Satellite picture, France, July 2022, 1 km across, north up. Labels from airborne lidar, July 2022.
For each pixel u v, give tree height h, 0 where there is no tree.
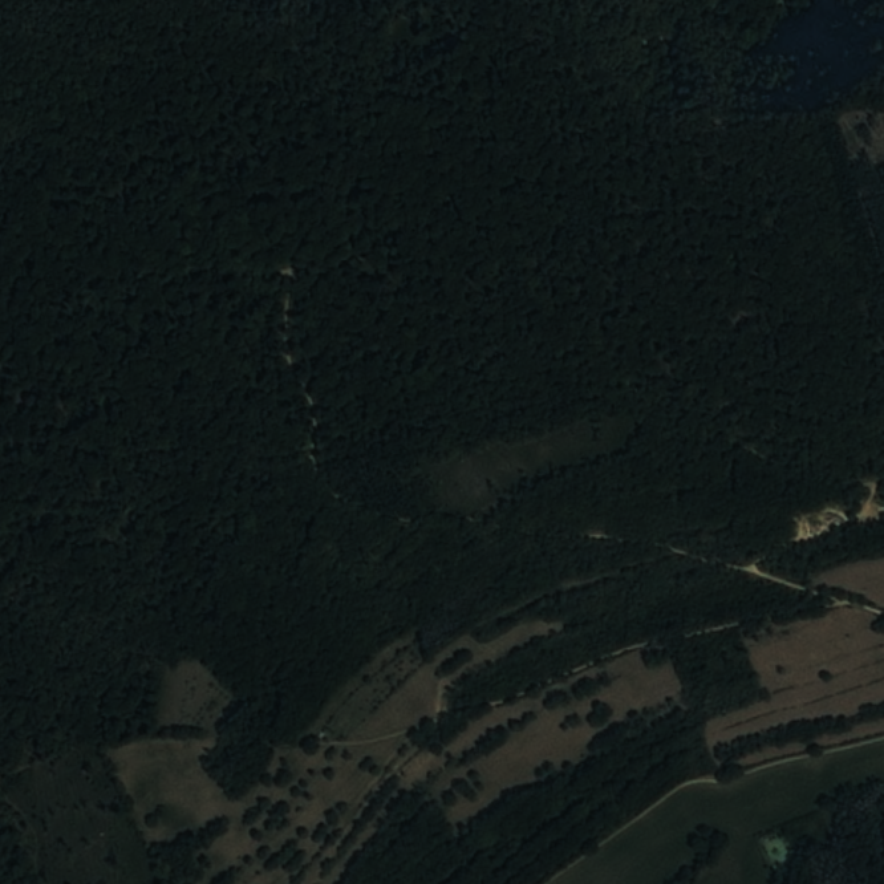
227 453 20
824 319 24
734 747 12
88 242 20
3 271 24
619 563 14
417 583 10
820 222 22
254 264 31
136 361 34
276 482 23
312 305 21
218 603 20
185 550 25
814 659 0
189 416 22
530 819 16
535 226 26
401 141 31
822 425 27
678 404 21
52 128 21
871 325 23
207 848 19
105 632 20
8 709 28
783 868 18
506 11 22
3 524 26
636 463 24
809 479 19
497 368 23
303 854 11
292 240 29
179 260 26
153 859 21
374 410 26
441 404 23
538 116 18
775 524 21
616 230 22
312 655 20
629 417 18
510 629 11
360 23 28
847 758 0
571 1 21
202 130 27
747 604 7
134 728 28
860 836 17
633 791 22
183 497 19
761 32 27
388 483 14
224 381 26
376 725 0
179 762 0
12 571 24
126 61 24
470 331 22
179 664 23
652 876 0
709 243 22
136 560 20
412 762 0
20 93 18
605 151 27
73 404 26
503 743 19
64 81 21
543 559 16
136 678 24
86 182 28
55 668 22
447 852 22
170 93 23
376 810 15
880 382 21
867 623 0
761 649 0
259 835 16
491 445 19
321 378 27
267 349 16
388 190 31
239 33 22
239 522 25
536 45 14
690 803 0
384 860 22
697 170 24
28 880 23
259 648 26
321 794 0
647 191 23
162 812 12
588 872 0
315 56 22
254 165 32
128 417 25
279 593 27
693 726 11
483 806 0
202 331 31
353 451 21
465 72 30
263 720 16
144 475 25
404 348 25
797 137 20
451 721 20
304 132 28
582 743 0
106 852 0
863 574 0
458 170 31
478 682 7
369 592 20
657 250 22
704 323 23
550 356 24
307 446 20
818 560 16
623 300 26
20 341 29
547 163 23
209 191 30
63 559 28
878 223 21
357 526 22
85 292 25
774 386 24
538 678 6
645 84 28
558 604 16
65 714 21
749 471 21
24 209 30
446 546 17
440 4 22
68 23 17
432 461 21
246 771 23
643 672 0
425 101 26
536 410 23
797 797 0
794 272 24
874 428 21
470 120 24
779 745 17
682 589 14
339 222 30
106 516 23
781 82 15
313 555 21
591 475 21
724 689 7
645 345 21
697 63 22
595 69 17
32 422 27
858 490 19
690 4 28
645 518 7
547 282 24
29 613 20
